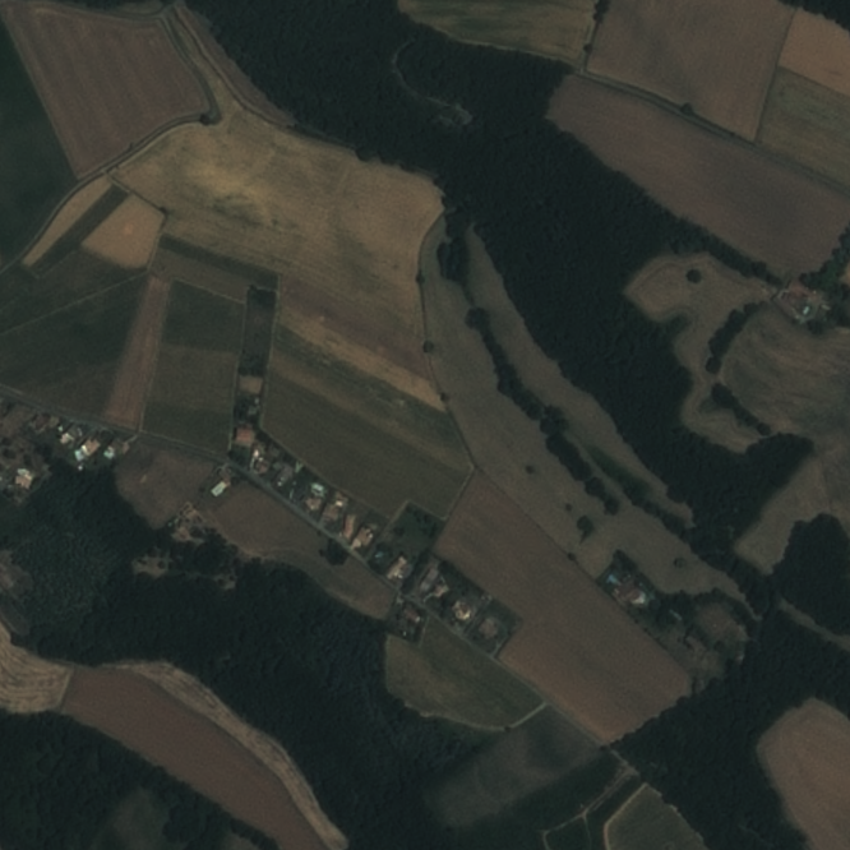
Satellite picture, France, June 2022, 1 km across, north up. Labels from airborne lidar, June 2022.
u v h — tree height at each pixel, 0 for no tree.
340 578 0
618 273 16
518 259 25
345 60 18
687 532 16
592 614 0
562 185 23
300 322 0
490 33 0
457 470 0
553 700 0
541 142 20
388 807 19
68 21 0
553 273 21
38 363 0
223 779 0
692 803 20
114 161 0
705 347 0
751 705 22
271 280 0
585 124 0
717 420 0
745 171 0
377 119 17
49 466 12
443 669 0
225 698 11
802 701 15
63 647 16
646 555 0
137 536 17
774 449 21
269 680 15
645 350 22
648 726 13
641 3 0
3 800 8
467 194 20
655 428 17
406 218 0
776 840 20
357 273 0
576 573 0
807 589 20
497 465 0
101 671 0
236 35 15
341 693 26
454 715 0
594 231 25
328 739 16
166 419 0
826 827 0
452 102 15
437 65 15
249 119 0
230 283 0
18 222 0
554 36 0
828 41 0
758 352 0
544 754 0
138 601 19
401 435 0
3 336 0
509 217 28
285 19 16
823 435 0
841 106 0
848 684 23
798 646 21
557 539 0
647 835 0
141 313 0
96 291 0
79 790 11
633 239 17
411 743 18
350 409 0
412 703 0
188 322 0
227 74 0
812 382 0
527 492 0
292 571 6
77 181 0
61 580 7
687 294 0
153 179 0
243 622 16
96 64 0
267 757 0
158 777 19
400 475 0
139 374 0
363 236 0
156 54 0
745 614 14
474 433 0
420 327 0
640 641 0
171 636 14
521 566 0
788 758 0
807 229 0
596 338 22
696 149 0
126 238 0
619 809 0
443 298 0
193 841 21
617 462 0
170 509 0
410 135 20
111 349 0
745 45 0
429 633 0
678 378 22
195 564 14
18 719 18
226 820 20
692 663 0
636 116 0
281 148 0
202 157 0
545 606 0
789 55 0
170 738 0
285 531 0
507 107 17
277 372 0
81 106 0
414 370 0
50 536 8
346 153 0
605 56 0
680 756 20
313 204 0
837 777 0
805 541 19
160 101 0
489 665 0
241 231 0
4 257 0
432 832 19
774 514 0
